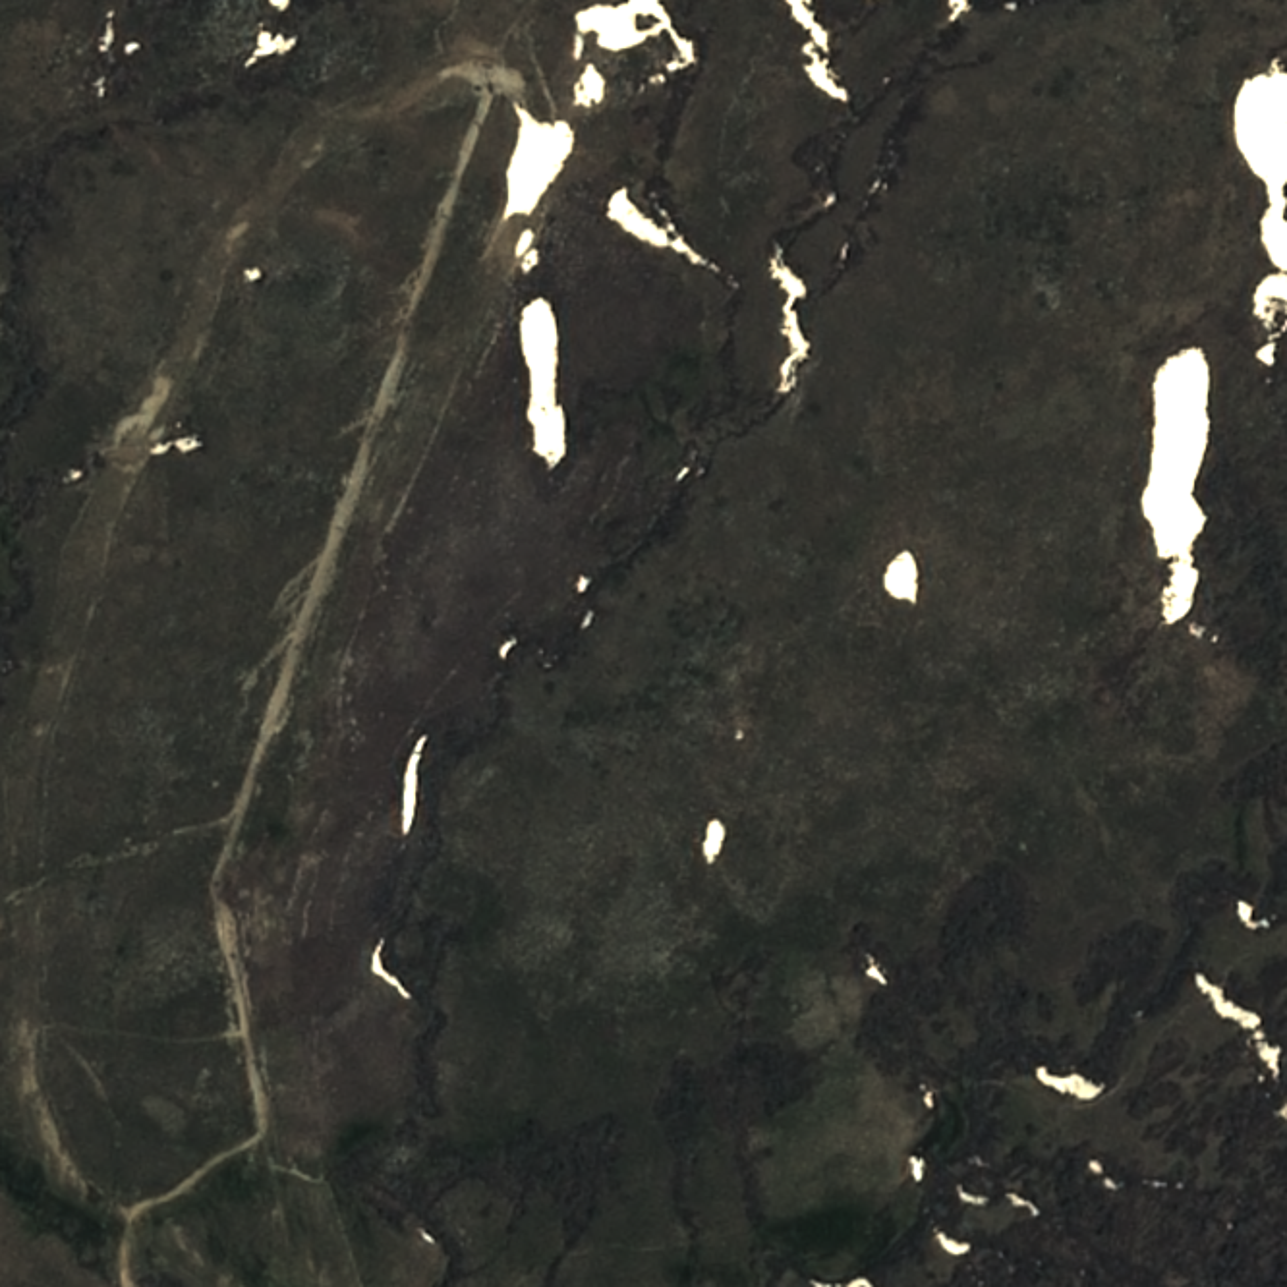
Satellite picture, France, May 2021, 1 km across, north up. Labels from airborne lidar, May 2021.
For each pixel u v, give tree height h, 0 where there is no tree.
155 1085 0
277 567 0
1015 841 0
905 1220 0
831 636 0
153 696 0
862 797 0
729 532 0
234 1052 0
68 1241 0
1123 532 0
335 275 0
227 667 0
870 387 0
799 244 0
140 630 0
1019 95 0
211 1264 0
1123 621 0
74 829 0
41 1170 0
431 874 0
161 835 0
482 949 0
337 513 0
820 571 0
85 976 0
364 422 0
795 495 0
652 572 0
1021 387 0
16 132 0
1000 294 0
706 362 0
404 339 0
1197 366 0
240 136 0
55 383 0
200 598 0
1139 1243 0
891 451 0
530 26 0
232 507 0
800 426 0
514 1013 0
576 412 0
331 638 0
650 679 0
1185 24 0
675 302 0
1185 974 9
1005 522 0
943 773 0
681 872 0
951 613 0
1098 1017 0
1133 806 0
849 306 0
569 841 0
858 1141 0
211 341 0
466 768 0
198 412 0
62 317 0
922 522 0
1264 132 0
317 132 0
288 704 0
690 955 0
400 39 0
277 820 0
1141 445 0
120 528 0
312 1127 0
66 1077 0
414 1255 0
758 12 0
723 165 0
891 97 0
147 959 0
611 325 0
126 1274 0
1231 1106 0
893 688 0
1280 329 0
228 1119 0
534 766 0
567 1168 9
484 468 0
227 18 0
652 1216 0
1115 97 0
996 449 0
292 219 0
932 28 0
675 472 0
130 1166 0
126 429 0
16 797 0
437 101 0
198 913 0
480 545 0
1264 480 0
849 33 0
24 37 0
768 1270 0
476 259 0
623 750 0
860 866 0
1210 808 0
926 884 0
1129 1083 0
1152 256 0
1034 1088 0
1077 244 0
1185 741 0
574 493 0
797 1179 0
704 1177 0
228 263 0
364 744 0
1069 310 0
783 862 0
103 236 0
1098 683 0
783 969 0
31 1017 0
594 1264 0
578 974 0
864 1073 0
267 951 0
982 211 0
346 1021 0
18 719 0
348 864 0
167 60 0
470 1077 0
